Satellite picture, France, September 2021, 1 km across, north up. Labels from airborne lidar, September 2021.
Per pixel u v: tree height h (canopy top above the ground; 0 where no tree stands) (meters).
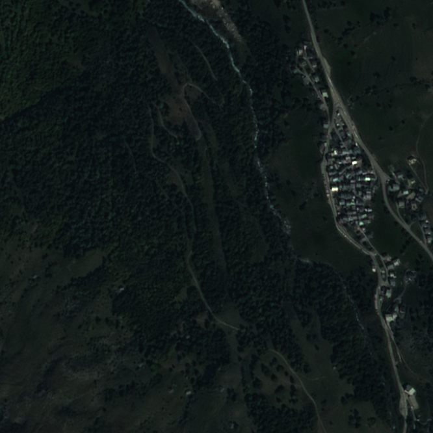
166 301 7
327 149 0
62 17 12
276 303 13
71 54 10
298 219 0
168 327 9
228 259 19
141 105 12
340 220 0
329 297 11
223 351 14
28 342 0
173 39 12
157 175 10
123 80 15
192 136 10
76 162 6
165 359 16
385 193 0
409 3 0
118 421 0
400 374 0
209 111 19
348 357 13
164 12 16
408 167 0
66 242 8
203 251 14
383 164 0
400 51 0
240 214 15
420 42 0
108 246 14
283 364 0
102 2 9
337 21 0
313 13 6
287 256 9
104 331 0
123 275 6
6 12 12
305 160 0
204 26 14
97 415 0
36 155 16
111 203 9
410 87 0
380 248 0
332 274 17
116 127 9
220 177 19
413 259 0
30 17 11
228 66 17
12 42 14
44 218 11
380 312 0
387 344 0
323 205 0
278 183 7
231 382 0
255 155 11
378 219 0
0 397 0
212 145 12
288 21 15
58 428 0
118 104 15
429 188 0
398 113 0
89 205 9
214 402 0
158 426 0
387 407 16
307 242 0
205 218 14
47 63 16
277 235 17
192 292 13
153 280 13
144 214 13
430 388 13
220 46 21
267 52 11
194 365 10
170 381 0
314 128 0
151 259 15
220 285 10
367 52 0
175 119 0
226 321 0
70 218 9
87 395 0
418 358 0
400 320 7
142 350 17
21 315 0
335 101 0
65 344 0
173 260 17
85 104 15
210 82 17
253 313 19
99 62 15
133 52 20
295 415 18
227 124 15
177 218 6
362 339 16
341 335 13
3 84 17
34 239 7
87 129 7
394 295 0
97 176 12
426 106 0
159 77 14
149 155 7
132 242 10
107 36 11
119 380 0
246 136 9
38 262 0
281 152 0
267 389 0
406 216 0
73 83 12
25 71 15
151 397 0
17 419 0
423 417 0
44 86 13
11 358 0
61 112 12
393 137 0
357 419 11
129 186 18
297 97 0
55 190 23
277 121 12
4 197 15
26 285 0
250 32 11
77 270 0
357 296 12
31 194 14
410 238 10
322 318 14
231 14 9
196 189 14
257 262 0
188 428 0
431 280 10
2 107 12
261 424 11
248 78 17
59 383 0
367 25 0
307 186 0
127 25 13
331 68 0
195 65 18
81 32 18
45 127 12
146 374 0
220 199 12
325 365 0
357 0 0
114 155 8
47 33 14
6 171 6
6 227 14
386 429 0
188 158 17
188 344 12
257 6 0
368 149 0
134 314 15
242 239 12
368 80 0
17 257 0
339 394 0
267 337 16
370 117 0
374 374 12
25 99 11
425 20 0
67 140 18
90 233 15
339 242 0
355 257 0
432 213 0
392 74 0
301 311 6
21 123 8
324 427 0
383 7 0
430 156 0
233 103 19
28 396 0
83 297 6
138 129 10
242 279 17
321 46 0
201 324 0
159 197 17
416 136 0
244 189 9
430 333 10
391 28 0
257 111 16
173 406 0
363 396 11
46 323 0
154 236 15
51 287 0
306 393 0
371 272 0
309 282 16
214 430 0
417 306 0
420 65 0
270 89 15
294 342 14
